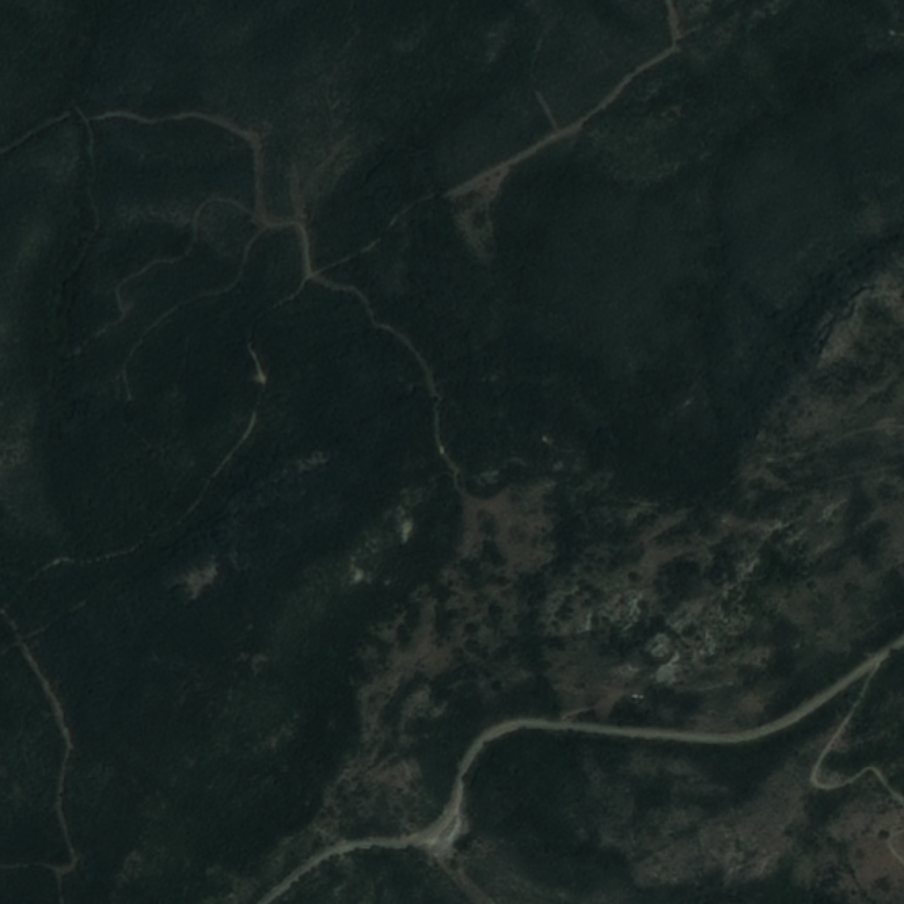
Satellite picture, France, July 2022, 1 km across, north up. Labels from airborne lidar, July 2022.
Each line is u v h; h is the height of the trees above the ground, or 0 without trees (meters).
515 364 6
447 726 6
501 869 0
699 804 7
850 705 9
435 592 7
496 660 6
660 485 6
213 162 7
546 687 7
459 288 6
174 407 6
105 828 7
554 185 7
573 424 6
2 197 6
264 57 6
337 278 6
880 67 7
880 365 6
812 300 6
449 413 6
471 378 7
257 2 9
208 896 7
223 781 6
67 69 7
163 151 6
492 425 6
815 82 7
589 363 6
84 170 8
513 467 7
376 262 6
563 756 7
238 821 9
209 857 7
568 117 0
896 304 0
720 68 6
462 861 0
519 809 6
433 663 0
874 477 0
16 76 6
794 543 7
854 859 0
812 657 0
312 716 7
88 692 6
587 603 7
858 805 0
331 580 6
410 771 0
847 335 0
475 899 0
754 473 0
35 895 6
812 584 10
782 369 6
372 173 10
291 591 6
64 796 6
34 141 7
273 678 7
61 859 7
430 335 8
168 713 8
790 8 6
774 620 9
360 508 6
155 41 6
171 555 9
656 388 7
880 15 7
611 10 7
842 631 0
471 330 6
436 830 0
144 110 7
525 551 0
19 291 7
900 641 0
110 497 5
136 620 5
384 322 7
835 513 7
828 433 0
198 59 6
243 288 8
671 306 8
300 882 6
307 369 6
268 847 6
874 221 0
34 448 6
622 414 8
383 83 7
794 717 0
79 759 6
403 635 7
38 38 8
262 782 6
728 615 7
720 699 0
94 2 9
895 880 0
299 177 0
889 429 0
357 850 6
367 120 6
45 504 6
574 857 9
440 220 6
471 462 6
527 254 7
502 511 0
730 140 8
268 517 6
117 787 6
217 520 7
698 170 6
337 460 6
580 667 0
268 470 6
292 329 6
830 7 7
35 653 6
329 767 7
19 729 6
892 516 0
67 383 6
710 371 6
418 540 8
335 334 6
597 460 5
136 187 6
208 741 6
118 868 5
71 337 6
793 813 0
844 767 0
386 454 6
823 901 11
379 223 7
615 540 6
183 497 6
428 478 5
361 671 7
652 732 0
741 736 0
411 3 6
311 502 6
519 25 7
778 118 6
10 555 6
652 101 6
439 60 6
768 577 10
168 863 7
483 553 7
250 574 6
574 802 6
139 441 6
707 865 0
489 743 8
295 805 7
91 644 6
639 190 6
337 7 6
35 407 6
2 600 7
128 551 7
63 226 10
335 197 7
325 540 6
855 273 7
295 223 0
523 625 7
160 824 6
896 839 0
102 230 6
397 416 6
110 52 6
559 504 5
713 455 6
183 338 5
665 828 0
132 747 7
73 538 6
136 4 7
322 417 6
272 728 5
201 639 7
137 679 6
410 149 7
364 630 7
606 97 0
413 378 7
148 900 6
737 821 0
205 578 0
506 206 6
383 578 7
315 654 9
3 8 10
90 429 6
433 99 8
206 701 6
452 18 6
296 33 7
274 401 7
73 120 7
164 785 5
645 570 0
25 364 8
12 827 7
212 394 5
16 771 7
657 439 6
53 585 7
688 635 7
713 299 6
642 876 0
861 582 0
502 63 9
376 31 6
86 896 5
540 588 6
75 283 6
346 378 5
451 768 6
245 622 5
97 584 7
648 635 6
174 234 6
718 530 0
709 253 6
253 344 7
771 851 0
